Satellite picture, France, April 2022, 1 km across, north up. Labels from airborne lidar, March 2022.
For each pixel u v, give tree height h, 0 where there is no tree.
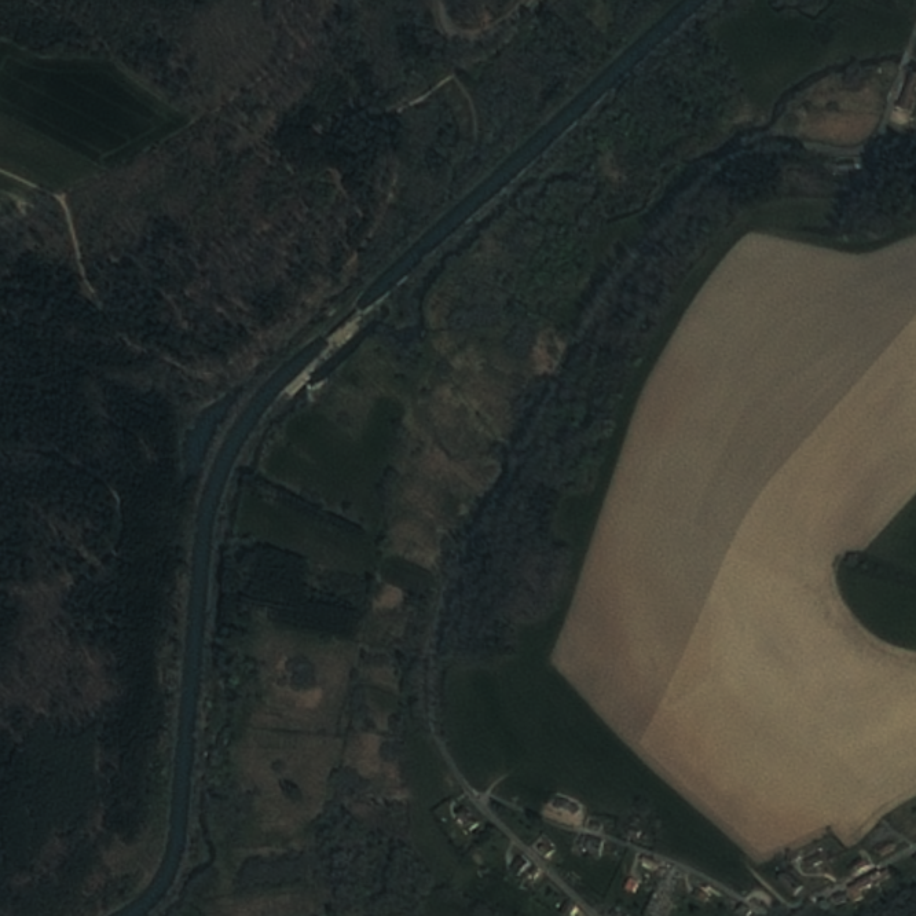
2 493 25
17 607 24
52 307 24
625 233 0
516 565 28
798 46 0
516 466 29
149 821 17
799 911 0
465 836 0
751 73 0
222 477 0
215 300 29
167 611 16
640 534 0
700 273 0
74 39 6
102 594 23
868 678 0
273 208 12
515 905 0
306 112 9
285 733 0
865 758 0
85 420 23
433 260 18
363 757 0
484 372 0
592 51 13
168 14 12
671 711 0
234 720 10
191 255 29
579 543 0
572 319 0
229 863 0
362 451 0
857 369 0
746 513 0
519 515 22
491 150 17
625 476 0
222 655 20
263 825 0
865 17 0
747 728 0
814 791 0
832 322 0
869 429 0
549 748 0
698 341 0
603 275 0
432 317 0
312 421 0
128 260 8
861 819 0
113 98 0
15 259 30
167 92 19
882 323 0
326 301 16
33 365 25
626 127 13
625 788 0
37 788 13
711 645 0
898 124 0
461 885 0
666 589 0
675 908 0
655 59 21
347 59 19
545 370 0
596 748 0
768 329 0
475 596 21
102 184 8
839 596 0
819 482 0
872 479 0
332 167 15
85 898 17
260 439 7
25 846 13
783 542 0
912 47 0
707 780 0
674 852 0
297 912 0
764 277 0
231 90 14
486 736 0
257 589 21
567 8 18
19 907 17
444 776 0
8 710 20
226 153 10
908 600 0
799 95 15
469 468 0
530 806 0
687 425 0
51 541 18
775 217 0
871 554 0
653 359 0
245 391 11
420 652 9
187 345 27
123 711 21
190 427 12
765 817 0
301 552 0
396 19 19
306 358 0
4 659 21
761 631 0
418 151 15
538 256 16
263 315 34
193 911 0
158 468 17
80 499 25
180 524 18
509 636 22
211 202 12
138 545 17
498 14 24
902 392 0
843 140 0
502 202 11
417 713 21
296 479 0
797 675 0
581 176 7
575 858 0
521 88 18
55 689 18
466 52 29
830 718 0
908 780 0
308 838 0
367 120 28
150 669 26
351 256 29
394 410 0
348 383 0
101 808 12
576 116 0
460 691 0
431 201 15
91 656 20
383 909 19
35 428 26
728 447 0
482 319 6
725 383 0
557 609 23
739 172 26
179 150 8
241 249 31
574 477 24
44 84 0
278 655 0
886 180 29
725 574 0
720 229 27
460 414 0
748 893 0
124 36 9
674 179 0
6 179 0
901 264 0
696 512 0
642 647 0
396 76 12
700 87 24
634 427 0
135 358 25
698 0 0
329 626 17
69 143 0
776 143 22
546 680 0
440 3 0
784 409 0
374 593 13
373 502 0
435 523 0
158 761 20
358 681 14
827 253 0
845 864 0
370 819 0
